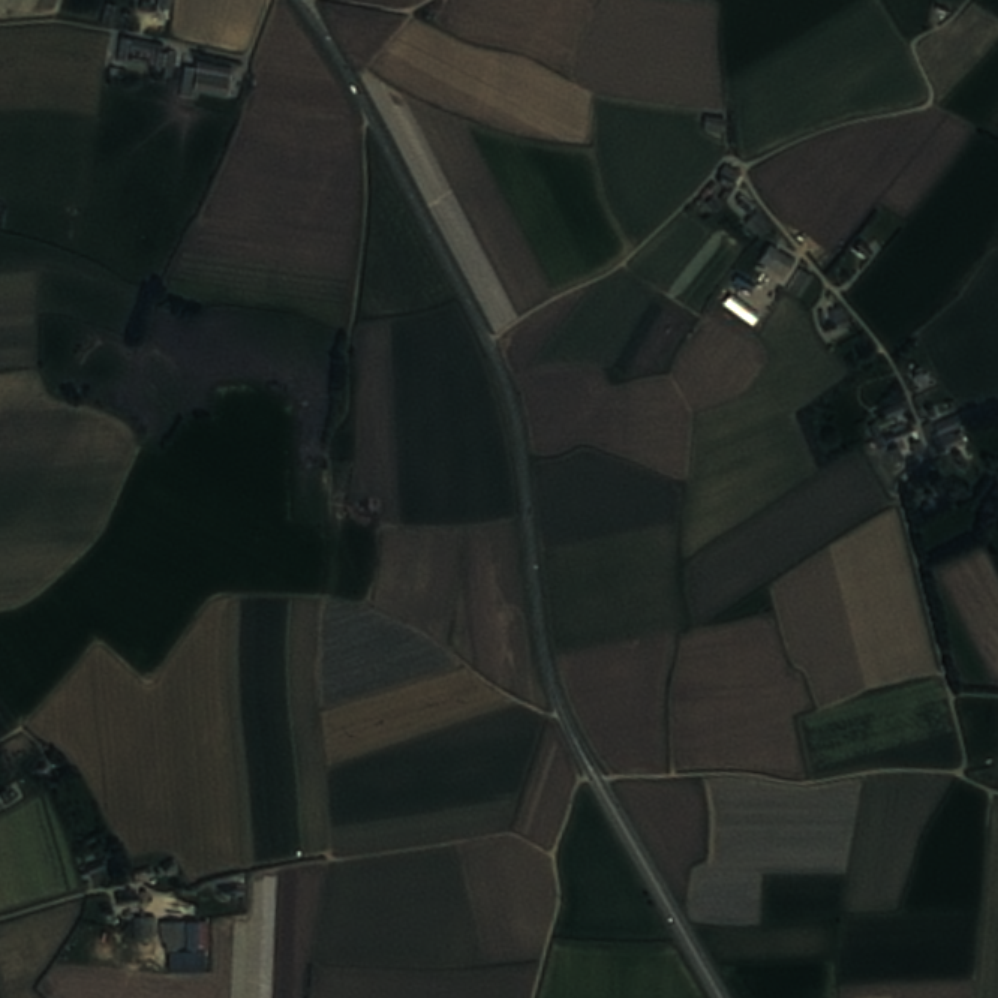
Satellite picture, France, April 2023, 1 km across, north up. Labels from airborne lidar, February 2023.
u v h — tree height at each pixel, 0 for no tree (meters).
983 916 0
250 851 0
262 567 0
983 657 0
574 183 0
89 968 0
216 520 0
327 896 0
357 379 0
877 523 0
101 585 0
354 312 0
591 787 0
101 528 0
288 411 0
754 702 0
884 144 0
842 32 0
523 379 0
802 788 0
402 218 0
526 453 0
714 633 0
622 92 0
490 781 0
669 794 0
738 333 0
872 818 0
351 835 0
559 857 0
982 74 0
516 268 0
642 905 0
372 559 0
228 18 0
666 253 0
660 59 0
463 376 0
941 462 24
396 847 0
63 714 0
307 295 0
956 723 0
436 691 0
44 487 0
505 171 0
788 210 0
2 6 0
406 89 0
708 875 0
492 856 0
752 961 0
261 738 0
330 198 0
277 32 0
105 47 0
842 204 0
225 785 0
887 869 0
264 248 0
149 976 0
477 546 0
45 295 0
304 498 0
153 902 0
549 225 0
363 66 0
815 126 0
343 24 0
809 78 0
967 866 0
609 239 0
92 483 0
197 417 6
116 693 0
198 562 0
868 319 0
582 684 0
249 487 0
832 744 0
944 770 0
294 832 0
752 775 0
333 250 0
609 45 0
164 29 0
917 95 0
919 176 0
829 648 0
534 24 0
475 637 0
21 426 0
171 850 0
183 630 0
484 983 0
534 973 0
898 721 0
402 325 0
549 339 0
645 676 0
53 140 0
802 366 0
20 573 0
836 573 0
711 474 0
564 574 0
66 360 0
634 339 0
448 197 0
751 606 0
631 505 0
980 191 0
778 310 0
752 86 0
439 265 0
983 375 0
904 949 0
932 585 14
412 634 0
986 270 0
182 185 0
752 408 0
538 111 0
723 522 0
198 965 0
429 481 0
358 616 0
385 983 0
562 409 0
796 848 0
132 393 0
